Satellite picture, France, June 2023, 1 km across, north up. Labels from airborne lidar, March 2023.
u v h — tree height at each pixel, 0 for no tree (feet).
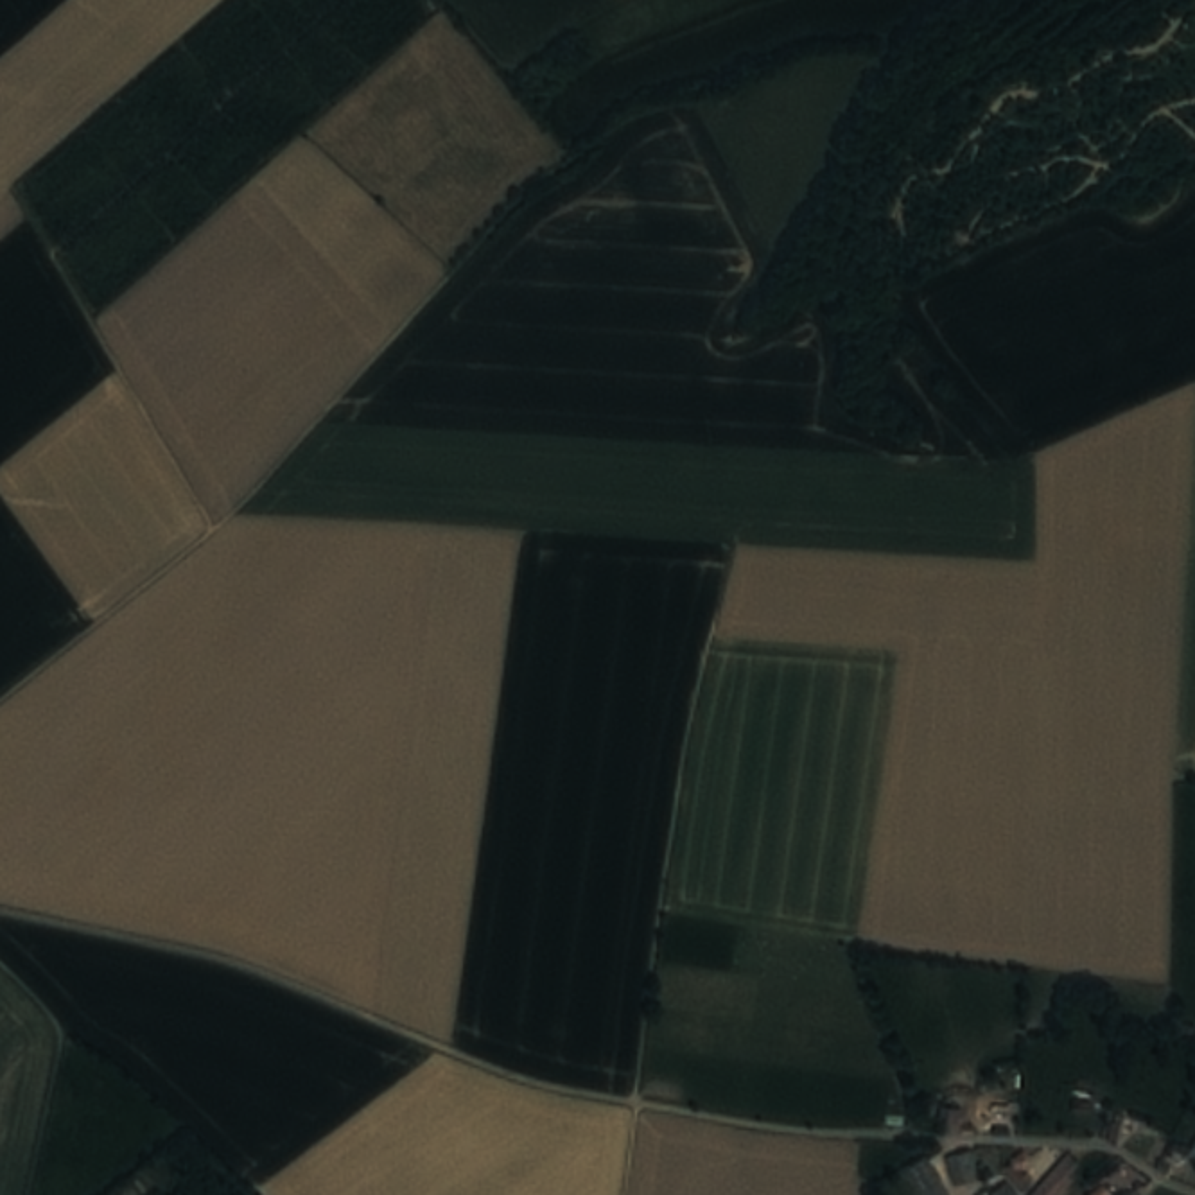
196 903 0
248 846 0
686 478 0
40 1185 0
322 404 0
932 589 0
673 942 0
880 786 0
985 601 0
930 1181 0
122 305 0
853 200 68
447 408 0
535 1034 0
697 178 0
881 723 0
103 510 0
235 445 0
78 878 0
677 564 0
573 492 0
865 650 0
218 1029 0
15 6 0
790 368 0
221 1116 0
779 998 0
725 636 0
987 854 0
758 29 0
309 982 0
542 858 0
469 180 0
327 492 0
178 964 0
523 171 0
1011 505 0
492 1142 0
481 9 0
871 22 0
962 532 0
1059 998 39
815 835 0
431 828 0
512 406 0
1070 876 0
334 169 0
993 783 0
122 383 0
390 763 0
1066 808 0
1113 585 0
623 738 0
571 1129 0
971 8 74
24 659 0
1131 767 0
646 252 0
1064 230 0
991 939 0
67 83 0
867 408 101
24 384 0
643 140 0
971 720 0
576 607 0
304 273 0
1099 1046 0
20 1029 0
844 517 0
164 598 0
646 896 0
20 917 0
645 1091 0
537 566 0
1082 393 0
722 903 0
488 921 0
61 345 0
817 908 0
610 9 0
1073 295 0
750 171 0
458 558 0
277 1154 0
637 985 0
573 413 0
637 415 0
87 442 0
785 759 0
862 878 0
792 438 0
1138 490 0
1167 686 0
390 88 0
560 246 0
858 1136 0
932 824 0
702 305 0
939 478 0
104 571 0
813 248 79
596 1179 0
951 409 0
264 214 0
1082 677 0
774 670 0
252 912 0
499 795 0
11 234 0
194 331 0
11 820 0
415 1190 0
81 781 0
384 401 0
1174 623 0
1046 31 44
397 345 0
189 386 0
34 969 0
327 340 0
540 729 0
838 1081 0
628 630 0
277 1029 0
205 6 0
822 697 0
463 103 0
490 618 0
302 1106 0
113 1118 0
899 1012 0
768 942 0
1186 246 0
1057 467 0
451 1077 0
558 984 0
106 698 0
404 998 0
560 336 0
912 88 52
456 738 0
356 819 0
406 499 0
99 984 0
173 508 0
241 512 0
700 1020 0
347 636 0
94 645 0
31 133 0
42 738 0
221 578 0
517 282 0
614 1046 0
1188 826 0
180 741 0
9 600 0
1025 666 0
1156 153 21
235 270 0
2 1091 0
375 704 0
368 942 0
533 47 0
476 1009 0
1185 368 0
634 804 0
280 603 0
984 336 0
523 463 0
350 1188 0
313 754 0
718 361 0
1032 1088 0
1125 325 0
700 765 0
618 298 0
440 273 0
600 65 0
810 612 0
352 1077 0
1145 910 0
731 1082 0
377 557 0
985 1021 0
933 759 0
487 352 0
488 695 0
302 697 0
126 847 0
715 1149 0
